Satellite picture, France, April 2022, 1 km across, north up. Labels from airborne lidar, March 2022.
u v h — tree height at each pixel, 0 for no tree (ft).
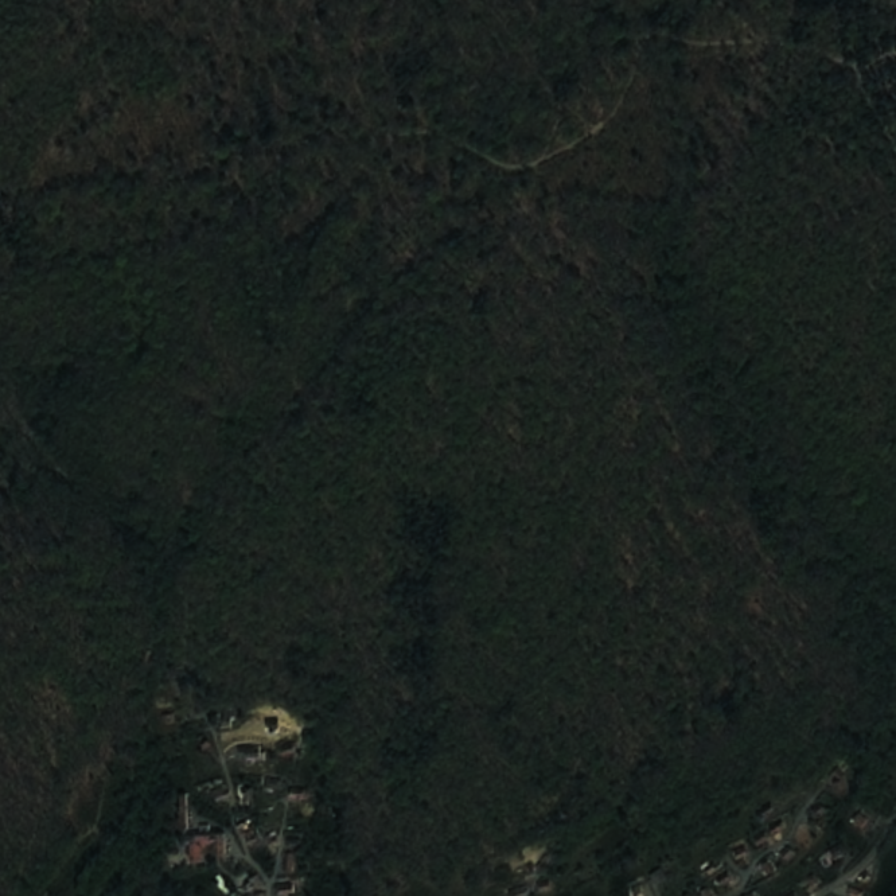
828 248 52
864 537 72
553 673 75
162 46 61
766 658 93
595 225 90
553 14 88
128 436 88
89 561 86
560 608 57
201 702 67
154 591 82
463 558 72
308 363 71
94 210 89
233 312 84
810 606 94
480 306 59
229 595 62
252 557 47
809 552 85
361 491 61
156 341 84
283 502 58
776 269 54
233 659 64
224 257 89
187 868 28
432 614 76
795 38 60
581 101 82
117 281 74
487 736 65
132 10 31
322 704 73
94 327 90
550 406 71
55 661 76
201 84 96
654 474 84
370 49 86
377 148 84
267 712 0
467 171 75
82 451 46
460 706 68
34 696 84
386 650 77
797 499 81
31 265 95
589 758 94
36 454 73
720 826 64
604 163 36
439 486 76
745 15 66
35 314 87
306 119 81
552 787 70
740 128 79
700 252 67
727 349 62
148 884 78
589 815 71
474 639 60
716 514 94
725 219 68
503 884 0
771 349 78
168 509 91
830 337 62
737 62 22
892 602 70
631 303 94
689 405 104
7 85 76
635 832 23
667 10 77
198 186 99
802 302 37
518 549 69
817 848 0
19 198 83
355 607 80
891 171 71
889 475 69
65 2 71
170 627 84
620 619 78
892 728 43
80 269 93
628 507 85
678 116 71
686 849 55
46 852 81
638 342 84
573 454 71
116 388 88
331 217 62
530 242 82
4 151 89
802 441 78
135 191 94
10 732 83
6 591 84
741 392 91
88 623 81
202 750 28
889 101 63
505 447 67
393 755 64
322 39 93
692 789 63
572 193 94
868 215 81
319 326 99
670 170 26
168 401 85
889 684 101
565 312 86
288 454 59
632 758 93
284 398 82
